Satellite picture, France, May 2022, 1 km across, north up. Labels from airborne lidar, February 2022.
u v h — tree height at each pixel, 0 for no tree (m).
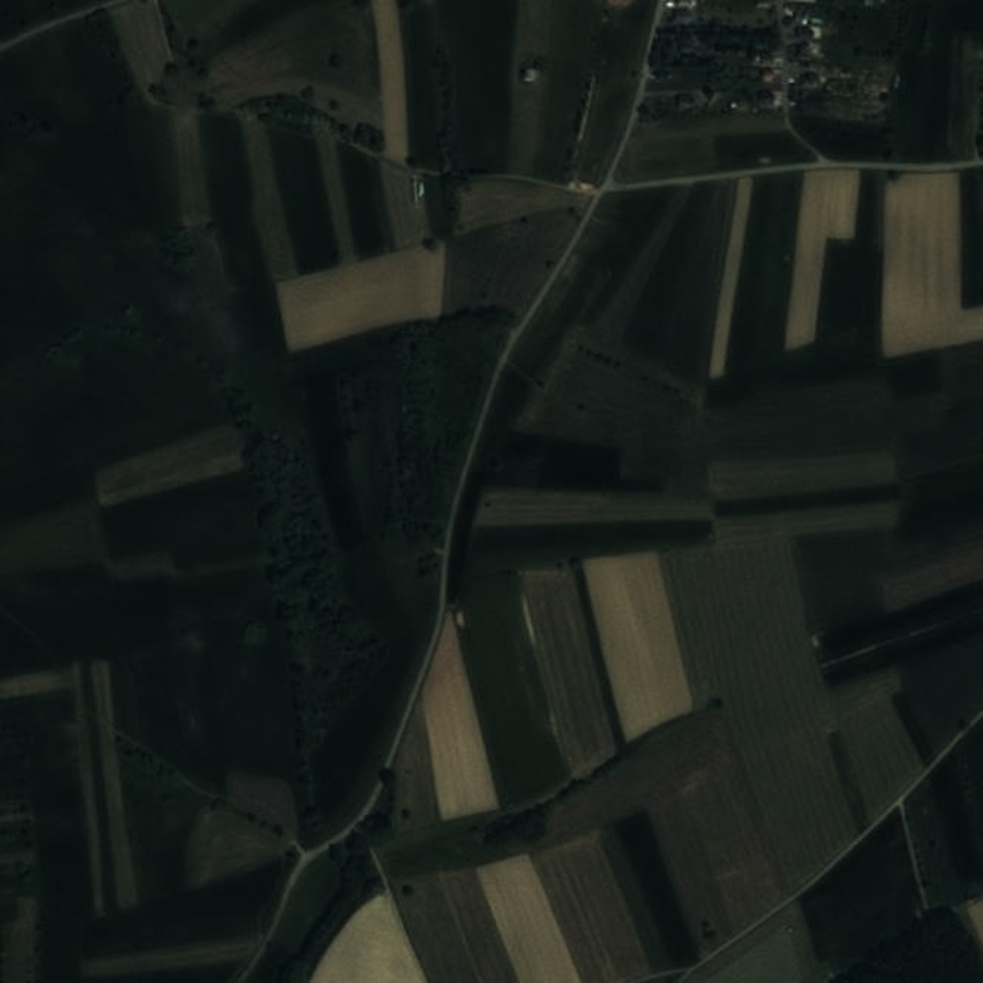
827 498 0
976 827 0
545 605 0
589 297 0
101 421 0
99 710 0
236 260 0
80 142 0
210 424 0
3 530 0
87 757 0
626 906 0
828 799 0
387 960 0
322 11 0
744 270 0
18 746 0
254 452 15
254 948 0
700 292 0
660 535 0
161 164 0
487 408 0
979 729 0
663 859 0
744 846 0
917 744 0
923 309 0
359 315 0
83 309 0
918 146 0
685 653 0
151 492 0
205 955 0
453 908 0
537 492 0
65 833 0
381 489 0
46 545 0
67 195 0
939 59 0
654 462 0
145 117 0
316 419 0
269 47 0
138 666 0
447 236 0
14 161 0
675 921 0
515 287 0
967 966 26
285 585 19
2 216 0
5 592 0
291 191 0
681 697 0
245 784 0
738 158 0
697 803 0
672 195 0
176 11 0
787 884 0
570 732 0
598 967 0
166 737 0
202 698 0
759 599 0
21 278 0
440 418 0
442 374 0
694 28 6
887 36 0
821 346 0
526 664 0
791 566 0
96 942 0
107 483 0
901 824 0
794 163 0
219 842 0
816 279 0
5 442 0
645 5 0
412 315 0
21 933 0
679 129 0
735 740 0
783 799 0
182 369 0
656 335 0
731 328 0
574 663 0
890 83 0
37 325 0
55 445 0
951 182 0
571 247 0
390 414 0
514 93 0
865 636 0
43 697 0
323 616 12
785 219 0
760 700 0
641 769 0
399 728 0
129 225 0
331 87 0
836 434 0
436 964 0
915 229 0
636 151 0
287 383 0
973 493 0
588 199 0
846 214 0
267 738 0
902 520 0
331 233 0
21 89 0
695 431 0
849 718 0
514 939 0
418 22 0
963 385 0
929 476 0
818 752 0
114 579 0
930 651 0
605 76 0
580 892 0
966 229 0
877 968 22
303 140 0
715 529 0
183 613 0
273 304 0
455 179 9
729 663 0
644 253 0
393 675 0
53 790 0
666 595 0
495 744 0
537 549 0
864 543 0
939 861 0
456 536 0
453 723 0
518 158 0
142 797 0
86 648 0
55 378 0
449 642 0
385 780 15
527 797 0
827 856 0
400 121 0
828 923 0
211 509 0
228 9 0
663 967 0
